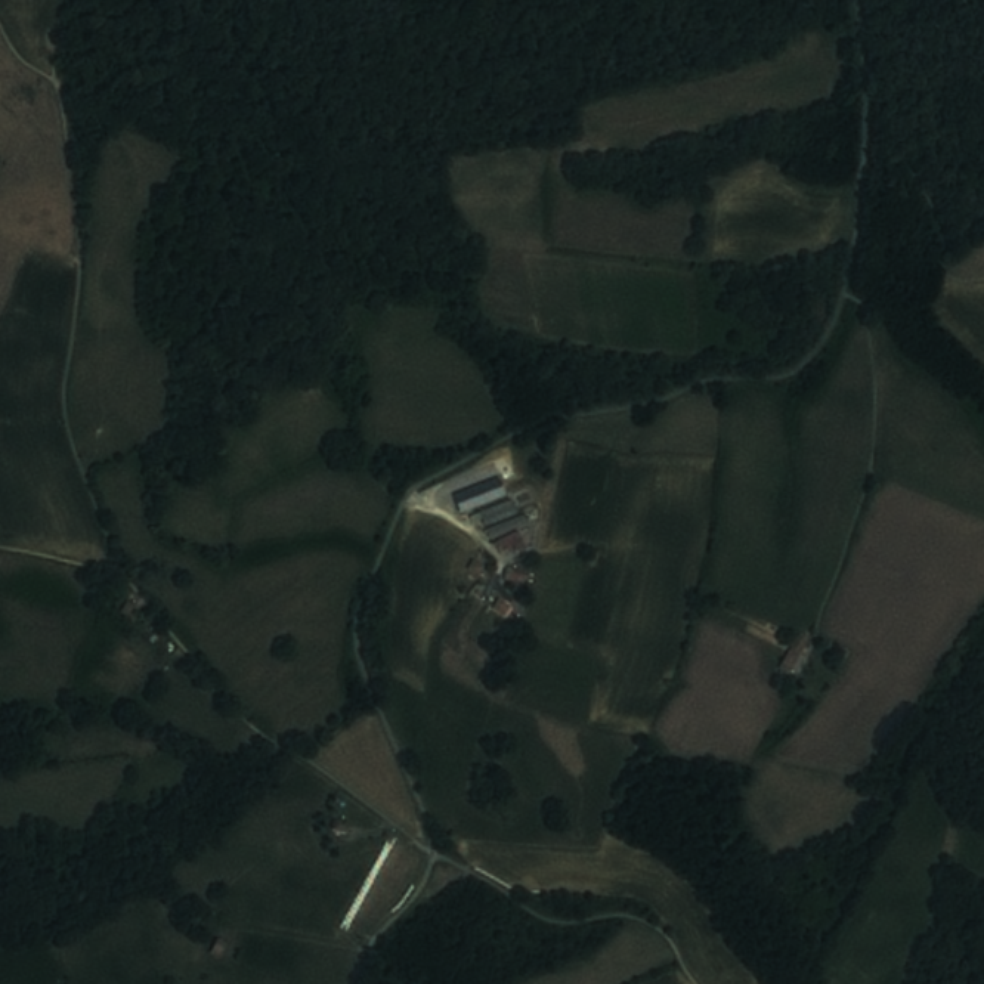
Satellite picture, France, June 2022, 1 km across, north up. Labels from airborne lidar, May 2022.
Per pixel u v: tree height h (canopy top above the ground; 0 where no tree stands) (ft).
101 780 0
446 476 0
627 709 0
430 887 0
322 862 0
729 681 0
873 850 57
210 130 72
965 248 57
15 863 70
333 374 47
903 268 39
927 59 54
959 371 55
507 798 41
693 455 0
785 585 0
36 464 0
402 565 0
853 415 0
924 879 0
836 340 0
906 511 0
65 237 0
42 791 0
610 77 28
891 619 0
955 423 0
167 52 96
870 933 0
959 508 0
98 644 0
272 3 65
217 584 0
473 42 52
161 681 60
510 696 0
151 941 0
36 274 0
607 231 0
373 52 42
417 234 64
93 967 0
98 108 79
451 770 0
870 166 50
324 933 0
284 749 69
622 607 0
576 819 0
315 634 0
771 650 0
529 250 0
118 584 57
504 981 46
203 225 72
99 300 0
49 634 0
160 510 71
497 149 20
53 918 42
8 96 0
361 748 0
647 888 0
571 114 71
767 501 0
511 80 69
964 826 44
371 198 87
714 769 70
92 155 57
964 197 44
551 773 0
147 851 48
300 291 93
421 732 0
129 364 0
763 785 0
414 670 0
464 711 0
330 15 44
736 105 0
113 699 0
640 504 0
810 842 43
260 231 86
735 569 0
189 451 86
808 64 0
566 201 0
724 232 0
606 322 0
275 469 0
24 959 0
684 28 43
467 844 0
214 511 0
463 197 0
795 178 37
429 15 59
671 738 0
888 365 0
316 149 68
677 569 0
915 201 56
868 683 0
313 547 0
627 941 0
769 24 47
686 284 0
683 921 0
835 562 0
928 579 0
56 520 0
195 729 0
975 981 62
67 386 0
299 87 69
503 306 0
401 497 35
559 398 37
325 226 73
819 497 0
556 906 40
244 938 0
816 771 0
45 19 0
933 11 48
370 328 0
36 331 0
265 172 48
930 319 48
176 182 39
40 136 0
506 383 66
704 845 57
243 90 87
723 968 0
